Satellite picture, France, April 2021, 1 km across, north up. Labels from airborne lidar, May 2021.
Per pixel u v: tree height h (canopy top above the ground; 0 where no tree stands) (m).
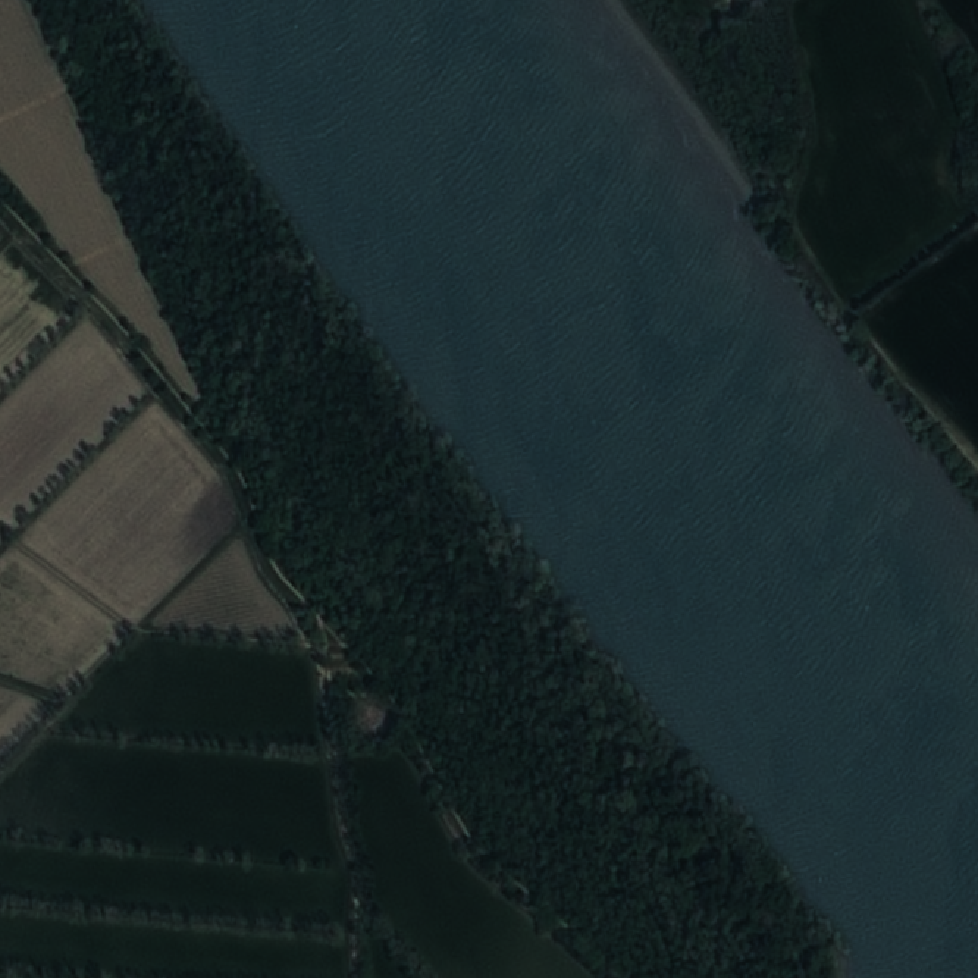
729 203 0
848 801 0
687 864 22
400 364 0
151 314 0
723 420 0
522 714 27
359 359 24
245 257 15
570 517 0
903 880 0
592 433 0
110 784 0
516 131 0
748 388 0
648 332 0
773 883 18
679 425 0
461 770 14
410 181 0
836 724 0
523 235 0
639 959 20
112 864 0
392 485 14
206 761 0
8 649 0
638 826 25
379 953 0
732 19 18
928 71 0
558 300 0
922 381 0
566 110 0
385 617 19
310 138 0
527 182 0
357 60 0
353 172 0
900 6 0
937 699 0
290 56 0
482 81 0
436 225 0
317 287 25
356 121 0
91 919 16
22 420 0
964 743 0
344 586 22
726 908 19
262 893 0
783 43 24
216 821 0
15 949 0
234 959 0
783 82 22
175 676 0
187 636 22
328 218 0
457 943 0
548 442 0
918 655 0
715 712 0
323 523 20
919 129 0
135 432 0
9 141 0
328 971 0
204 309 25
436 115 0
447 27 0
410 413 24
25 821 0
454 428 0
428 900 0
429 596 8
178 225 14
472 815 11
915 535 0
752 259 0
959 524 0
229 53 0
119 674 0
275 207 21
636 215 0
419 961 19
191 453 0
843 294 0
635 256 0
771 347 0
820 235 0
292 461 12
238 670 0
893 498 0
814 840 0
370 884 11
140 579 0
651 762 26
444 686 23
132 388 0
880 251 0
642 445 0
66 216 0
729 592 0
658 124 0
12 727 0
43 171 0
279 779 0
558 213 0
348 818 10
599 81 0
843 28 0
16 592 0
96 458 21
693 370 0
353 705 10
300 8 0
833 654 0
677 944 25
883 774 0
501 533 24
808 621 0
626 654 0
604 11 0
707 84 16
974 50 6
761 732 0
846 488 0
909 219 0
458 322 0
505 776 22
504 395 0
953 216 0
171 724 0
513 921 0
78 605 0
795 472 0
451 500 21
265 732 0
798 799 0
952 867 0
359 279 0
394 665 15
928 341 0
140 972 0
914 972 0
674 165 0
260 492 13
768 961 26
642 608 0
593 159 0
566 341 0
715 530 0
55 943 0
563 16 0
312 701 0
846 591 0
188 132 9
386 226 0
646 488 0
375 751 17
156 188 9
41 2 13
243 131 0
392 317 0
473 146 0
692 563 0
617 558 0
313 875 0
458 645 8
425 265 0
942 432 14
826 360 0
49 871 0
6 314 0
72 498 0
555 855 19
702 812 22
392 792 0
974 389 0
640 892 26
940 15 13
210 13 0
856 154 0
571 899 18
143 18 18
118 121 14
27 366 18
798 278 14
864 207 0
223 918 24
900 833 0
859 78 0
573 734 25
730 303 0
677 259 0
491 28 0
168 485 0
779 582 0
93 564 0
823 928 22
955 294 0
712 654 0
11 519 0
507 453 0
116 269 0
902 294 0
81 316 20
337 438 13
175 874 0
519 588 15
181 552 0
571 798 16
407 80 0
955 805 0
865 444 0
